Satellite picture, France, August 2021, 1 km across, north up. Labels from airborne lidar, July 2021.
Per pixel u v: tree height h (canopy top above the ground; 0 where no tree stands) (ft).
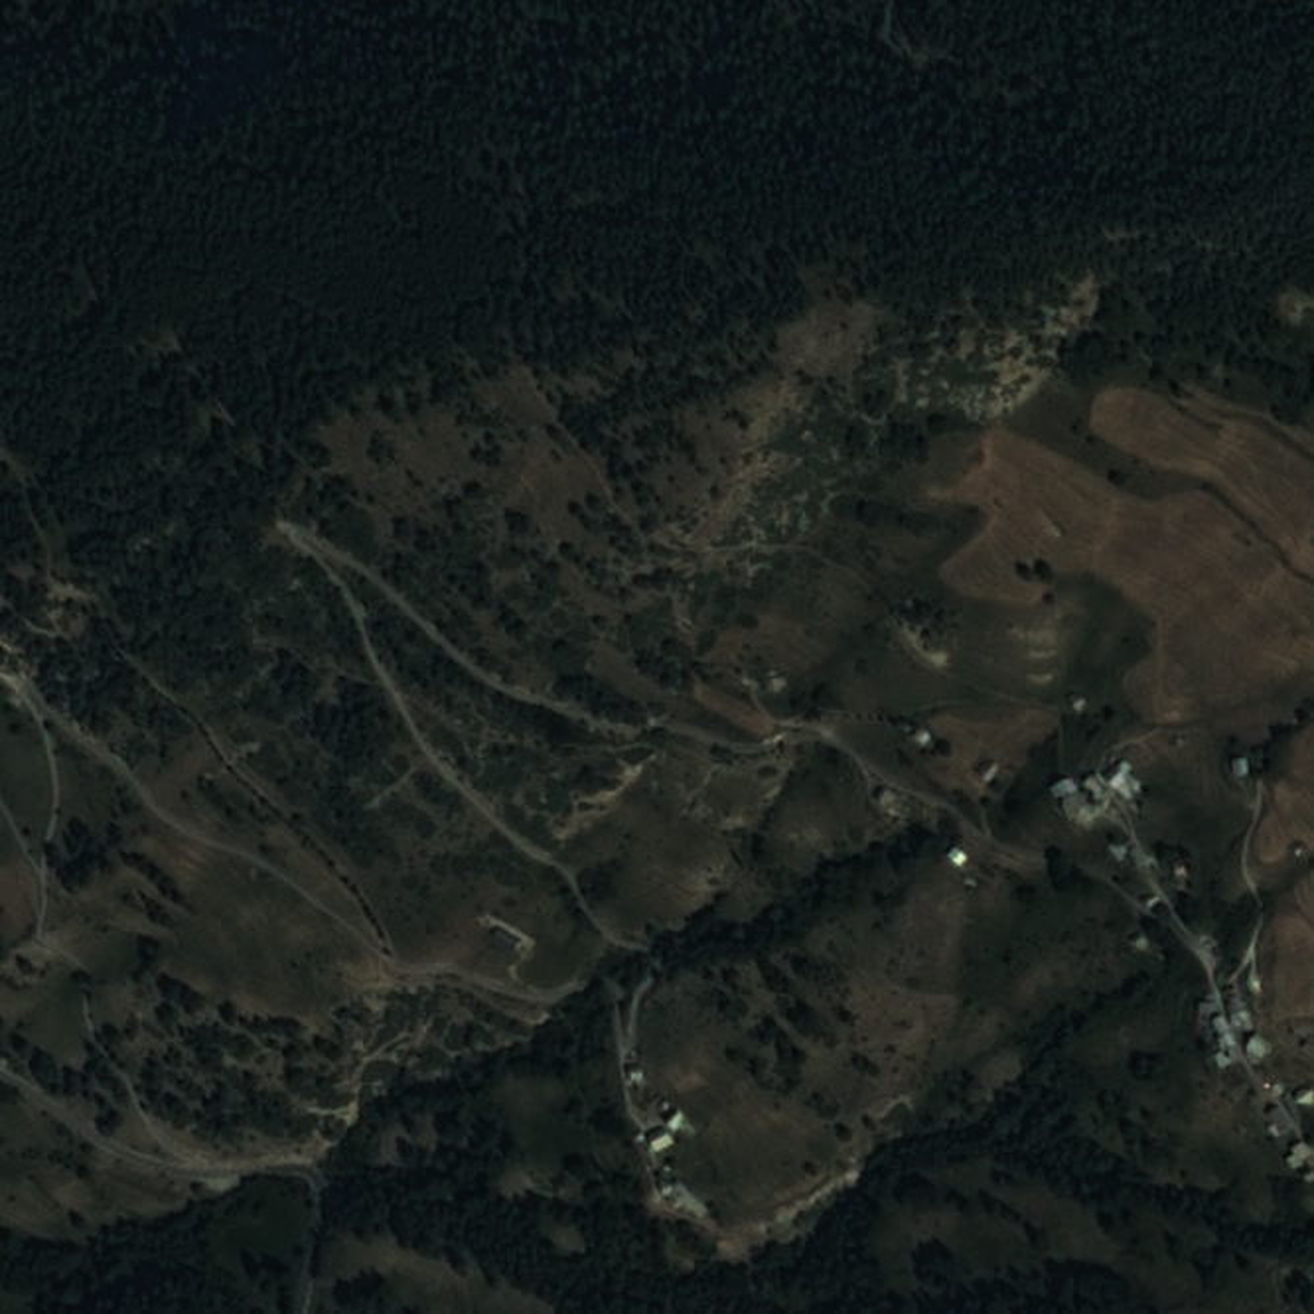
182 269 55
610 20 71
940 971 0
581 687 48
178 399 73
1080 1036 39
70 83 100
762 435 0
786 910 29
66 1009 0
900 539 0
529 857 0
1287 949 0
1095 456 0
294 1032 44
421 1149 24
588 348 59
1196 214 32
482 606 31
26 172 69
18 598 48
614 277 58
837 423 0
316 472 23
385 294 69
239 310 59
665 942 29
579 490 0
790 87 94
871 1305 58
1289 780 0
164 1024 55
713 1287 42
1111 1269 0
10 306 57
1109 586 0
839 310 0
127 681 39
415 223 72
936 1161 49
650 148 63
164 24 31
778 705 0
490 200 55
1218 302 60
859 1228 70
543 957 0
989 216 53
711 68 90
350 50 75
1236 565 0
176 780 0
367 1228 62
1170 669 0
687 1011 0
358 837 22
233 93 71
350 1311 61
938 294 50
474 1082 70
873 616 0
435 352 65
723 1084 0
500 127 60
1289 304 0
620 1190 36
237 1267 0
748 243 59
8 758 0
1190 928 82
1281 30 35
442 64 79
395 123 67
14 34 47
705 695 0
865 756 0
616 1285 58
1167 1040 0
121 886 0
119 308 50
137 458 60
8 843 0
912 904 0
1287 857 0
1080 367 57
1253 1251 47
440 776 0
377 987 0
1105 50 70
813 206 58
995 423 0
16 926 0
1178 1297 0
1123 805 0
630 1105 0
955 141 83
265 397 67
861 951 0
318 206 58
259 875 0
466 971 0
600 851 0
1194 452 0
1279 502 0
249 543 39
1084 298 0
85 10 31
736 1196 0
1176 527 0
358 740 41
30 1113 0
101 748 0
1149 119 65
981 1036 0
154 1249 48
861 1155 0
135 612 48
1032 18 77
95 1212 0
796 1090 28
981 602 0
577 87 80
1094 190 85
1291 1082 0
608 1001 37
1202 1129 0
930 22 79
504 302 46
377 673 0
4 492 19
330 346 59
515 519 35
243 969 0
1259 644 0
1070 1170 36
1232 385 35
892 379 0
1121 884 36
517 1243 55
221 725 0
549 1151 0
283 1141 0
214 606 26
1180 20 62
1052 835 0
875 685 0
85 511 43
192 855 0
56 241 27
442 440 0
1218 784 0
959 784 0
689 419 0
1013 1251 0
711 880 0
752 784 0
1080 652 0
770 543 0
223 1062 32
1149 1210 67
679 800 0
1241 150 46
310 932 0
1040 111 25
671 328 57
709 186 30
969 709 0
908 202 59
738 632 0
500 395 0
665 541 0
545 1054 50
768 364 47
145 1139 0
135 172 43
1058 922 0
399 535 30
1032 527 0
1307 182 32
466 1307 0
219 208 65
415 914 0
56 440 66
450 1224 48
